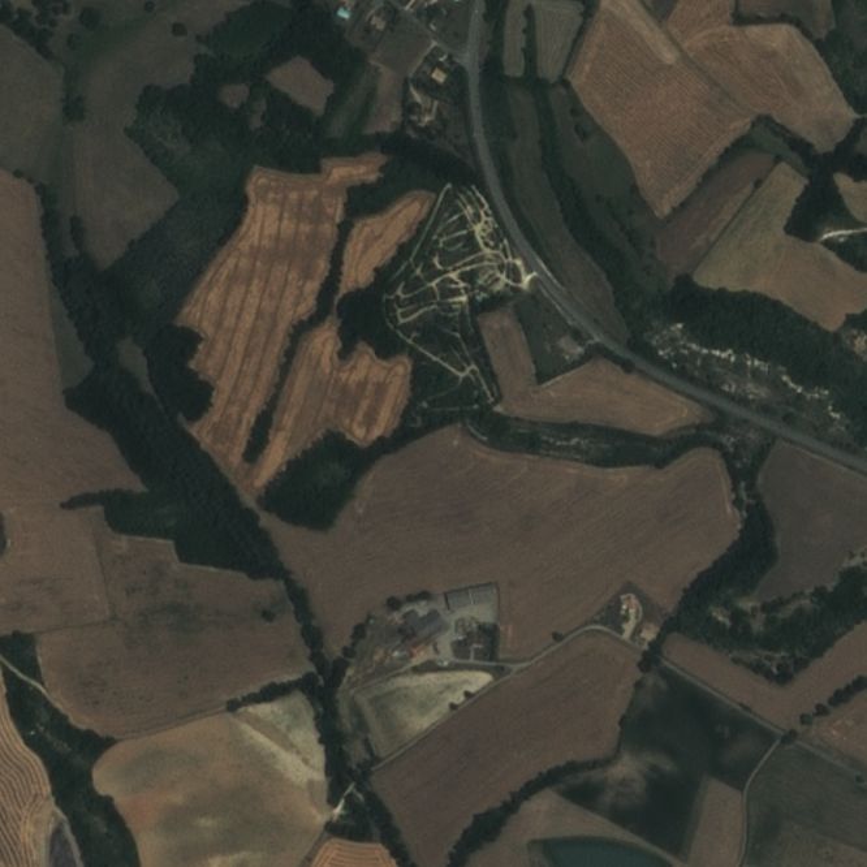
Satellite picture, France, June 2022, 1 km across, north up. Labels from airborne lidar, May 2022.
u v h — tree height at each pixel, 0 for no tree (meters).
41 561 0
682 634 8
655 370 0
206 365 0
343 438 15
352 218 9
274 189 0
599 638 0
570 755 0
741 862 0
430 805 0
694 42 0
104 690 0
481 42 0
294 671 0
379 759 9
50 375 0
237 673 0
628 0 0
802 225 13
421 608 0
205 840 0
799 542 0
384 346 13
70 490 0
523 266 0
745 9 0
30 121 0
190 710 0
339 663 16
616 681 0
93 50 0
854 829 0
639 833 0
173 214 10
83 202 0
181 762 0
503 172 8
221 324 0
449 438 0
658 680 0
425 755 0
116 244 0
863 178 17
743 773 0
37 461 0
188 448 23
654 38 0
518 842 0
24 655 6
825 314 0
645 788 0
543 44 0
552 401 0
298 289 0
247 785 0
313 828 0
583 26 7
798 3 0
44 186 16
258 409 0
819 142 0
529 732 0
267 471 0
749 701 0
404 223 0
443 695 0
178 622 0
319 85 0
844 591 11
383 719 0
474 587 0
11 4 6
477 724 0
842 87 7
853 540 0
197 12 0
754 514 13
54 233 20
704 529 0
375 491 0
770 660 9
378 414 0
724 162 9
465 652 0
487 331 0
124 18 0
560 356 0
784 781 0
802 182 0
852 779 0
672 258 0
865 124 10
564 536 0
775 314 7
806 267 0
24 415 0
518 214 9
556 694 0
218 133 9
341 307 17
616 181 0
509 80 6
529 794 10
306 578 0
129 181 0
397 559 0
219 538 14
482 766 0
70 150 0
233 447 0
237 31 8
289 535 0
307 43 14
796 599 8
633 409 0
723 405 0
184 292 11
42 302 0
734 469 11
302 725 0
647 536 0
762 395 0
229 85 10
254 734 0
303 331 20
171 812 0
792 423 11
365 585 0
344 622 0
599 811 0
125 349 0
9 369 0
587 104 0
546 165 9
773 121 8
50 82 0
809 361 8
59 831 0
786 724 0
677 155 0
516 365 0
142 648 0
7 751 0
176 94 16
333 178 0
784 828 0
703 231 0
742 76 0
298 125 11
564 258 0
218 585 0
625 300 12
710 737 0
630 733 0
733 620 9
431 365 8
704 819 0
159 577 0
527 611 0
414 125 6
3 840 0
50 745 7
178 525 7
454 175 15
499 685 0
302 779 0
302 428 0
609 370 0
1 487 0
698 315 10
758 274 0
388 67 0
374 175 0
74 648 0
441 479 0
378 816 13
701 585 17
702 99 0
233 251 0
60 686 0
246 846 0
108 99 0
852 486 0
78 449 0
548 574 0
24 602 0
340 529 0
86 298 26
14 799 0
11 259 0
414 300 9
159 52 0
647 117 0
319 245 0
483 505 0
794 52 0
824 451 0
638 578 0
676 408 0
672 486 0
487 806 0
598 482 0
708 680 0
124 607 0
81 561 0
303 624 11
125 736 0
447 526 0
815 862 0
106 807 9
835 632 8
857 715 0
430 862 0
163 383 19
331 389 0
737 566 16
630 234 9
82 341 12
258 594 0
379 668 0
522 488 0
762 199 0
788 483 0
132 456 12
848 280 0
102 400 16
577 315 0
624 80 0
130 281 7
